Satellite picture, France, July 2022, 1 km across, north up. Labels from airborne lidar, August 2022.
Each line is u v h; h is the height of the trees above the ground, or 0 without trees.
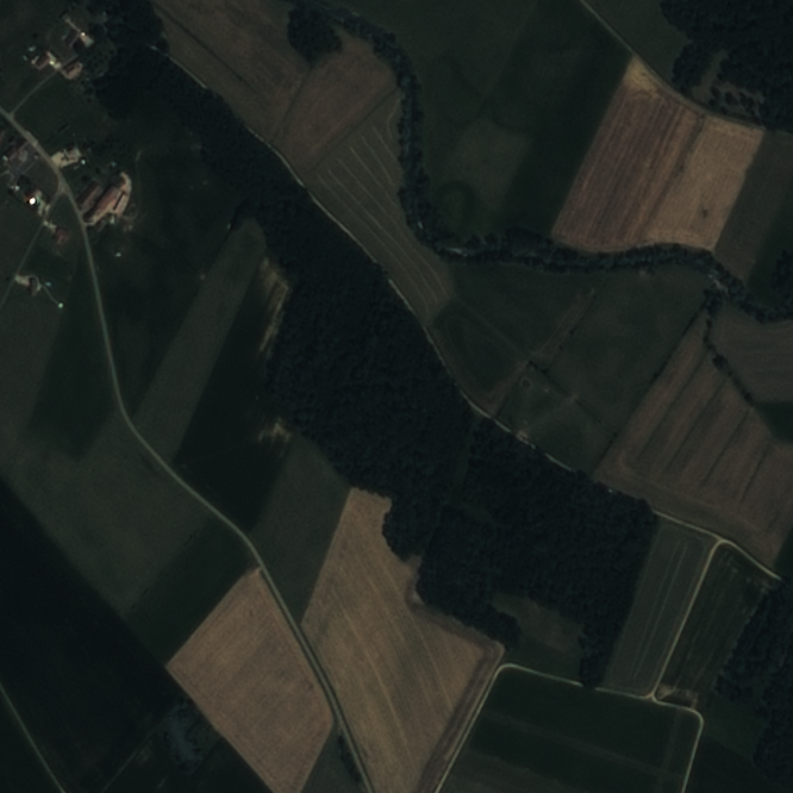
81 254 0
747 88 8
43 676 0
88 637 0
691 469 0
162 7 0
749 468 0
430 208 17
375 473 27
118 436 0
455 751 0
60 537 0
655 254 18
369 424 28
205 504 0
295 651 0
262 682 0
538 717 0
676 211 0
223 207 0
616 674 0
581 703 0
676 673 0
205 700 0
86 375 0
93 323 0
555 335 0
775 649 19
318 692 0
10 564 0
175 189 0
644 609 0
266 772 0
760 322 9
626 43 0
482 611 22
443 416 28
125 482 0
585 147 0
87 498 0
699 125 0
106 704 0
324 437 21
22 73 0
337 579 0
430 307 0
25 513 0
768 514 0
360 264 23
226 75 0
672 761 0
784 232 0
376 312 19
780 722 27
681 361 0
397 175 0
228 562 0
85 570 0
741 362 0
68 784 0
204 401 0
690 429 0
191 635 0
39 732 0
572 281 0
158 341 0
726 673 12
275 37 0
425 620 0
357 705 0
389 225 0
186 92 18
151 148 0
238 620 0
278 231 20
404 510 24
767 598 8
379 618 0
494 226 0
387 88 0
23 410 0
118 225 0
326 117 0
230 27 0
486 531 27
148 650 0
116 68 12
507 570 22
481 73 0
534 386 0
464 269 0
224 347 0
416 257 0
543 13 0
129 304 0
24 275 0
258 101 0
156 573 0
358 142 0
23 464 0
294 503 0
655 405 0
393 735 0
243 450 0
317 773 0
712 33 22
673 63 0
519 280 0
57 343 0
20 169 0
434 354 17
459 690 0
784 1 23
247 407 0
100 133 0
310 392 11
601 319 0
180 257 0
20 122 0
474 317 0
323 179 0
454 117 0
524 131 0
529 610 0
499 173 0
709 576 0
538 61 0
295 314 25
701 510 0
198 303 0
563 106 0
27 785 0
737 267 0
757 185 0
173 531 0
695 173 0
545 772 0
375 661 0
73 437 0
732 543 0
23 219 0
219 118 23
